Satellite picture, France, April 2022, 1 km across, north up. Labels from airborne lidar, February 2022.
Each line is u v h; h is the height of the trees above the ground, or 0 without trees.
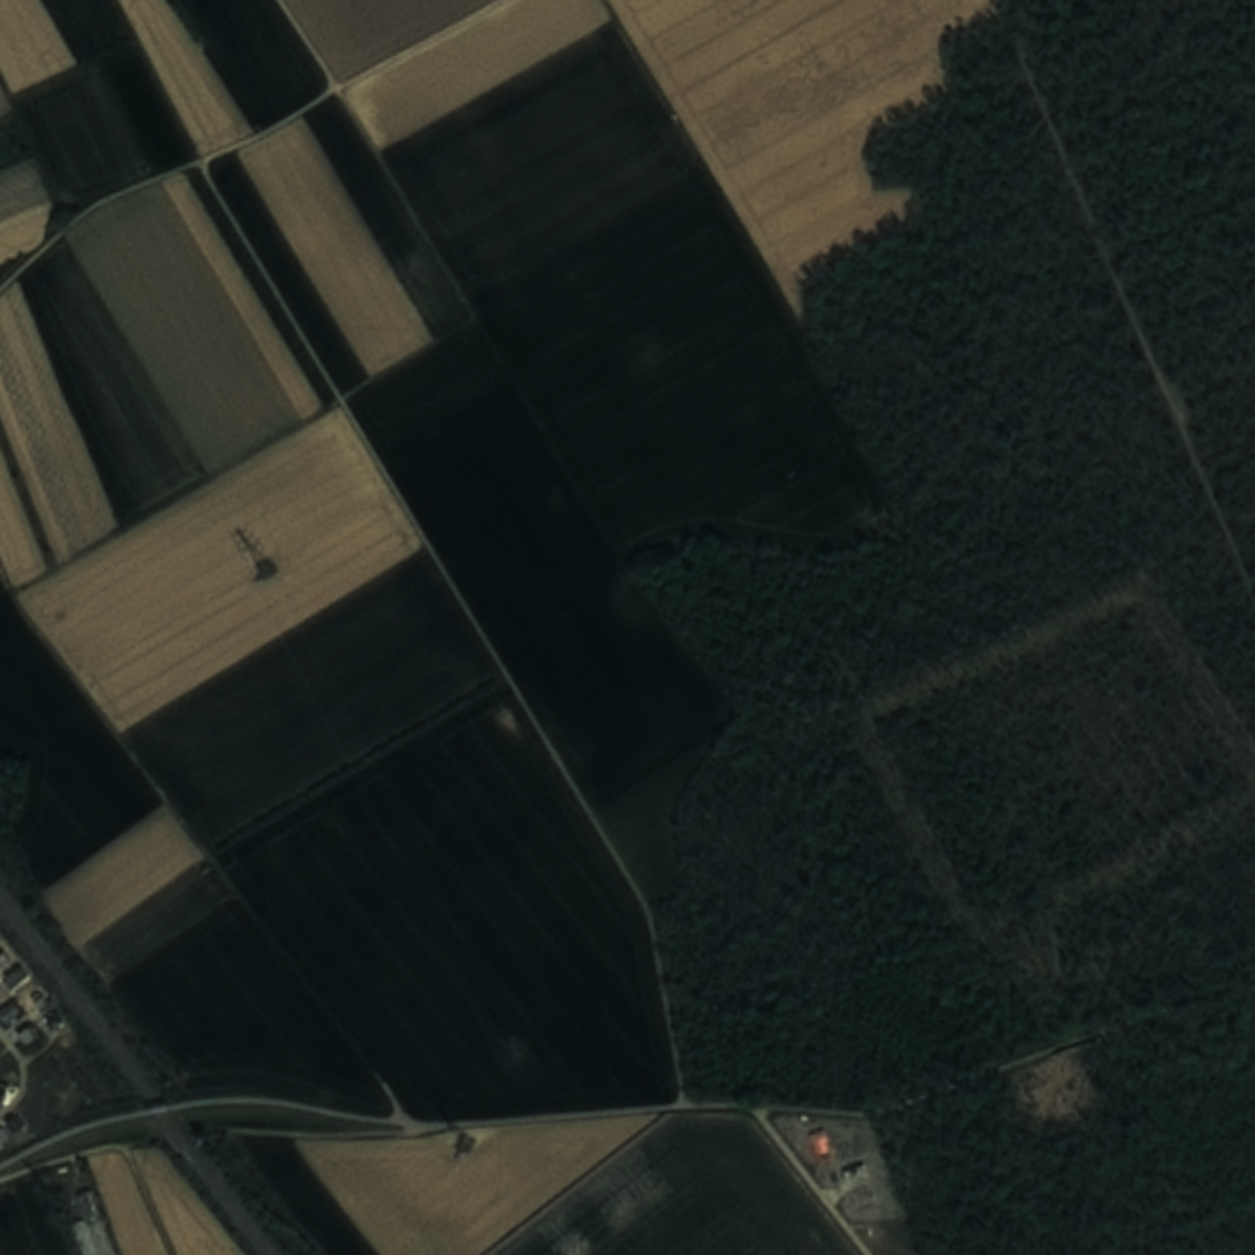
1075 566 16
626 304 0
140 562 0
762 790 18
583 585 0
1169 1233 16
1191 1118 11
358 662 0
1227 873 20
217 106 0
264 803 0
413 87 0
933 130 14
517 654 0
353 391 0
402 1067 0
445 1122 0
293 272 0
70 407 0
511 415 0
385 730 0
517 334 0
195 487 0
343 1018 0
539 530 0
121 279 0
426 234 0
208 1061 0
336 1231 0
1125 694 0
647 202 0
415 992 0
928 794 10
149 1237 0
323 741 0
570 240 0
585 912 0
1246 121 17
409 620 0
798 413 0
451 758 0
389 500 0
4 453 0
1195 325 17
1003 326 21
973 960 20
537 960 0
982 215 18
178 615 0
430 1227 0
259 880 0
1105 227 13
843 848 13
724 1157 0
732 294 0
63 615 0
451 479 0
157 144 0
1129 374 19
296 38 0
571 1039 0
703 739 0
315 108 0
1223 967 13
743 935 12
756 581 13
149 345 0
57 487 0
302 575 0
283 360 0
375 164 0
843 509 0
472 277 0
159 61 0
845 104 0
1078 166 18
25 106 0
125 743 0
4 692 0
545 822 0
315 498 0
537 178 0
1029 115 18
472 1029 0
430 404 0
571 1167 0
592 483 0
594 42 0
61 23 0
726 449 0
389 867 0
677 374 0
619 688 0
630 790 0
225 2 0
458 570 0
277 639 0
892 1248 0
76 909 0
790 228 0
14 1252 0
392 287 0
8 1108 0
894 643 12
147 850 0
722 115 0
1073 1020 18
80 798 0
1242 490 11
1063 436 21
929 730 10
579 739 0
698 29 0
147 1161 0
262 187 0
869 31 0
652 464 0
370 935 0
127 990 0
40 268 0
